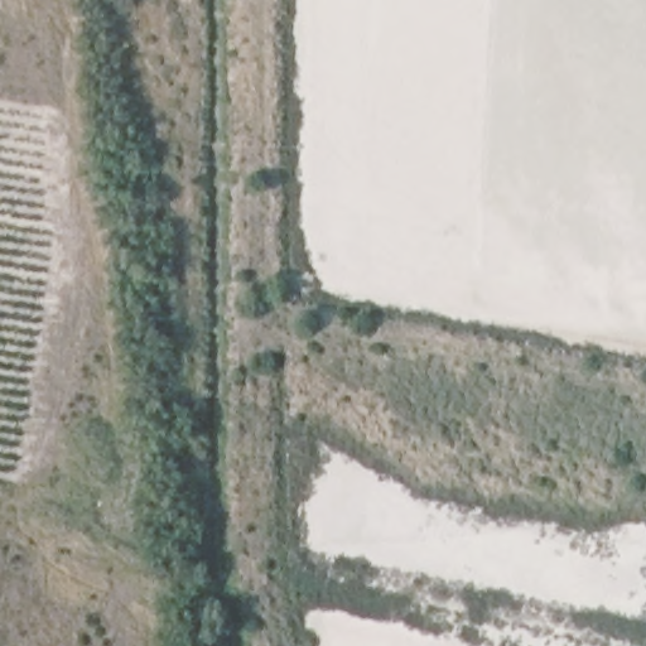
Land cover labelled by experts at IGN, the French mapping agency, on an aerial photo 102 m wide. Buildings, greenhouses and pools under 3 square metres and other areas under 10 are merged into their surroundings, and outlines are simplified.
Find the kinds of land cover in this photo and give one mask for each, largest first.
<instances>
[{"label":"herbaceous vegetation","instance_id":"1","mask_svg":"<svg viewBox=\"0 0 646 646\"><path fill-rule=\"evenodd\" d=\"M81 35V15L76 10V0H0V98L53 106L63 116H68V199L71 214L76 217V227L83 235V245L76 255L73 283H66L61 290L68 298H88L91 323L86 328V353L81 366L83 379L78 381V394L68 401V411L58 419L61 426L48 447L50 467L28 472L23 482L0 479V646H159V580L154 578V565L144 560L151 545V537L144 532L149 507H136L134 497L139 490L141 469L149 464L151 454L159 447L156 442L139 439V432L146 419L136 416L134 409L124 404V379L129 373L131 358L116 343V313L109 308L111 280H116V275L109 257L111 250L106 245L109 232L98 227L96 214V209L103 204V194L93 192L101 172L98 164H93V156L86 154V103L78 98L76 91L83 61L76 50ZM131 23V35L139 48L136 68L141 71L144 91L151 98L156 136L164 139L169 146L164 159V174L172 177L182 189V194L172 202V209L187 220L189 262L187 280L169 283V305L172 320H184L194 331L192 351L182 353V376L189 381L194 396H209L220 401L225 426L217 437V469L222 477V492L227 505V553L235 558V570L227 585L235 596H255L257 613L265 621L260 631L242 628V646H318L315 631L305 626V616L310 611H346L358 618L399 621L421 633H452L469 646H520L510 638L492 641L482 636V623H490L495 628H522L532 636H553L555 626L563 623L565 641L570 646H646V611L638 618H628L601 608H560L558 603L520 598L497 588L479 590L474 585H464L462 580L447 583L442 578L416 575L399 568H376L363 558H326L308 548L305 502L313 495V479L320 477L323 464L331 462L336 452H341L363 464L366 469H373L379 477L399 482L416 500L457 505L462 525L469 515L479 522L495 520L497 525L555 522L560 532H598L628 522L646 525V356L603 351L593 343H565L555 336L537 331L490 326L477 320H454L429 310L381 308L368 300L353 303L323 290L315 267L310 265L305 235L300 227L298 139L303 126V109L295 93V0H106ZM419 590L444 601H462L467 608H419V603L414 601Z\"/></svg>","mask_w":646,"mask_h":646},{"label":"pervious surface","instance_id":"2","mask_svg":"<svg viewBox=\"0 0 646 646\"><path fill-rule=\"evenodd\" d=\"M295 93L303 109V126L298 139L300 227L305 235L310 265L315 267L323 290L353 303L368 300L381 308L429 310L454 320H477L490 326L537 331L555 336L565 343H593L603 351L646 356V0H295ZM308 548L326 558H363L376 568H399L416 575L442 578L447 583L462 580L464 585H474L479 590L497 588L520 598L558 603L560 608H601L628 618H638L646 611V525L628 522L598 532H560L555 522L497 525L495 520L479 522L469 515L462 525L457 505L416 500L399 482L379 477L373 469H366L363 464L341 452H336L331 462L323 464L320 477L313 479V495L305 502ZM414 601L419 603V608H467L462 601H444L419 590ZM305 626L315 631L318 646H469L452 633H421L399 621L358 618L346 611H310L305 616ZM482 636L492 641L510 638L520 646H570L565 641L563 623L555 626L553 636H532L522 628H495L490 623H482Z\"/></svg>","mask_w":646,"mask_h":646},{"label":"deciduous trees","instance_id":"3","mask_svg":"<svg viewBox=\"0 0 646 646\"><path fill-rule=\"evenodd\" d=\"M76 10L81 15V35L76 50L83 61L76 91L78 98L86 103V154L93 156V164H98L101 172L93 192L103 194V204L96 209V214L98 227L109 232L106 245L111 250L109 257L116 275V280H111L109 308L116 313V343L131 358L129 373L124 379V404L134 409L136 416L146 419L139 432V439L156 442L159 447L151 454L149 464L141 469L139 490L134 497L136 507H149L144 532L151 537V545L144 560L154 565V578L159 580V646H209L220 636L222 616L217 601H204L197 593V588L204 583L207 568L187 565L177 548L179 537L202 543V525L197 522L194 507L184 502V495L177 490L182 474L174 459L177 452L187 447L194 437H217L225 426L220 401L209 396H194L189 381L182 376V353L192 351L194 331L184 320H172L169 305V283L187 280L189 262L187 220L172 209V202L182 194V189L172 177L164 174V159L169 146L164 139L156 136L151 98L144 91L141 71L136 68L139 48L131 35V23L106 0H76Z\"/></svg>","mask_w":646,"mask_h":646},{"label":"vineyard","instance_id":"4","mask_svg":"<svg viewBox=\"0 0 646 646\"><path fill-rule=\"evenodd\" d=\"M68 116H63L53 106L0 98V472H13L20 459L18 447L23 442V429L13 426V421L28 419L30 394L13 386H23L28 381L38 336L35 331L43 320L40 298L45 293L48 280L45 265L18 262V257L43 260L45 252H28L23 250V245L50 247L45 237H50V232L56 230V222L40 220V214L20 212L18 207H63L68 199Z\"/></svg>","mask_w":646,"mask_h":646},{"label":"plowed land","instance_id":"5","mask_svg":"<svg viewBox=\"0 0 646 646\"><path fill-rule=\"evenodd\" d=\"M20 212L40 214V220L56 222V230L50 232V237H45L50 247L23 245V250L28 252H45L43 260L18 257V262L45 265L48 280L45 293L40 298L43 320L35 331L38 336L28 381L23 386H13L30 394L28 419L13 421V426L23 429V442L18 447L20 459L13 472H0V479L23 482L28 472L50 467L48 447L61 426L58 419L68 411V401L78 394V381L83 379L81 366L86 353V328L91 323L88 298H68L61 290L66 283H73L76 255L83 245V235L76 227V217L71 214L68 199L63 207H18Z\"/></svg>","mask_w":646,"mask_h":646},{"label":"brushwood","instance_id":"6","mask_svg":"<svg viewBox=\"0 0 646 646\"><path fill-rule=\"evenodd\" d=\"M182 474L177 490L184 495V502L194 507L197 522L202 525V543L179 537L177 548L187 565L207 568L204 583L197 588V593L204 601H217L222 616L220 636L209 646H242V628L260 631L265 621L257 613L255 596H235L227 585L235 570V558L227 553V505L222 492V477L217 469V437H194L187 447L177 452L174 459Z\"/></svg>","mask_w":646,"mask_h":646}]
</instances>
